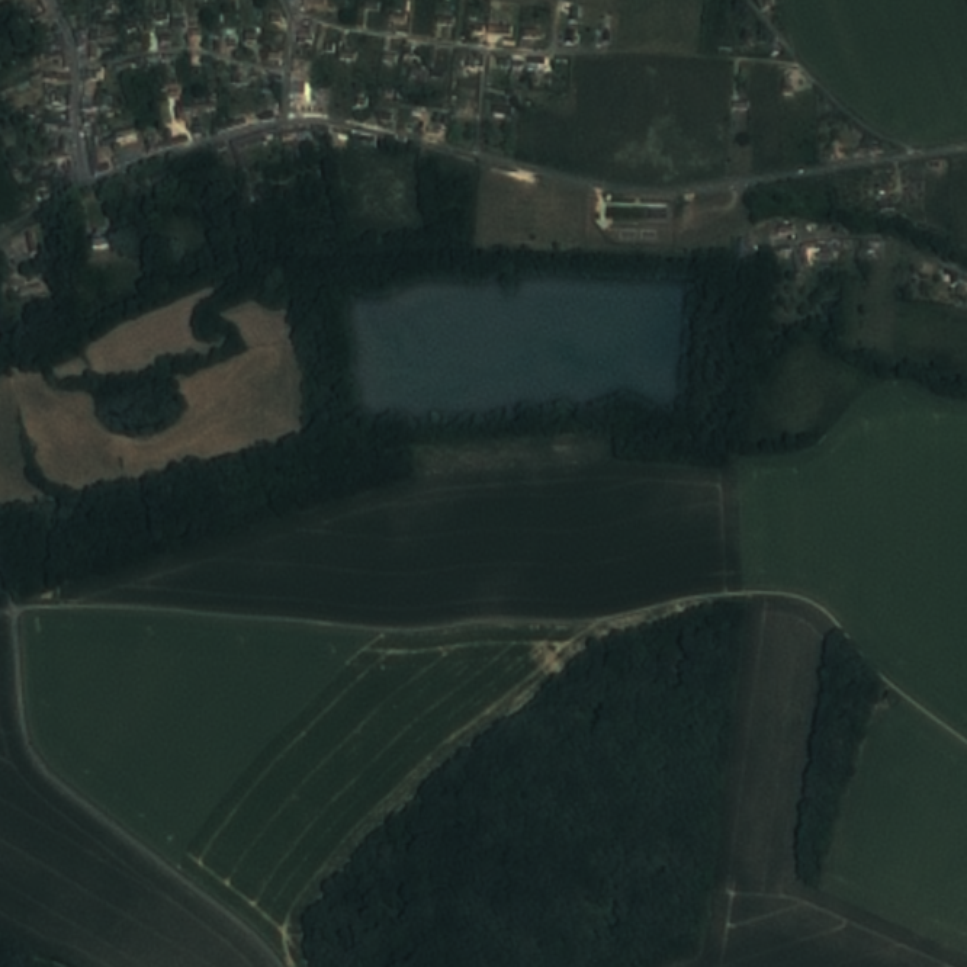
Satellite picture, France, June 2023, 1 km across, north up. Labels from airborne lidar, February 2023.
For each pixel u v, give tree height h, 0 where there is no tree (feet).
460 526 0
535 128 0
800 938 0
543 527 0
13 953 70
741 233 0
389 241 55
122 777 0
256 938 0
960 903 0
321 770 0
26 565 73
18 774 0
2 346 46
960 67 0
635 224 0
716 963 0
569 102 0
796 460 0
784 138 0
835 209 24
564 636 0
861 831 0
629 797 81
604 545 0
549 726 96
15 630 0
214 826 0
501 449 0
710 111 0
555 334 0
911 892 0
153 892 0
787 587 0
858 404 0
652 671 81
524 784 97
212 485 66
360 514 0
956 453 0
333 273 60
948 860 0
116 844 0
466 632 0
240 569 0
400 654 0
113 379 44
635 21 0
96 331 37
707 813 79
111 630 0
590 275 35
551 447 0
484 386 0
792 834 0
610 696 75
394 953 83
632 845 69
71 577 65
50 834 0
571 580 0
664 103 0
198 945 0
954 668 0
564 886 87
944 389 57
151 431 32
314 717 0
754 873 0
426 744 0
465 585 0
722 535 0
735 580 0
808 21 0
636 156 0
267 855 0
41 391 0
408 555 0
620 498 0
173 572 0
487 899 95
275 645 0
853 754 73
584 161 0
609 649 51
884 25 0
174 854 0
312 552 0
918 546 0
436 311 0
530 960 85
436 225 37
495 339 0
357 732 0
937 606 0
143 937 0
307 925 56
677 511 0
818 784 73
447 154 0
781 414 0
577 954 78
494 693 0
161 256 106
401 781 0
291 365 0
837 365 0
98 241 0
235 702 0
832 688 66
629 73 0
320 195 32
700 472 0
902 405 0
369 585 0
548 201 0
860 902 0
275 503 72
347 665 0
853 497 0
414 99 20
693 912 81
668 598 0
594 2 0
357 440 76
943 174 0
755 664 0
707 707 81
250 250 41
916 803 0
